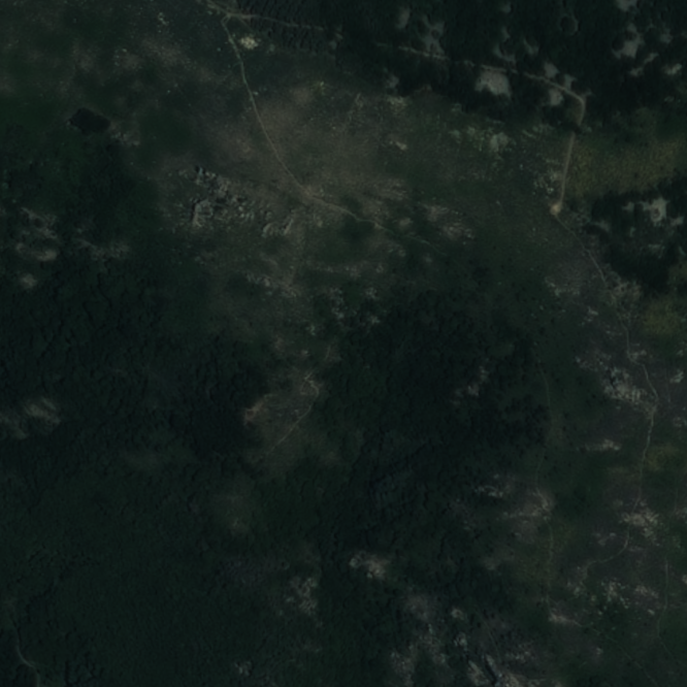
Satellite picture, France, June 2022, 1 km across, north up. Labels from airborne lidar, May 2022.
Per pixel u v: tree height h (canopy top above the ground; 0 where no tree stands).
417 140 0
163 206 0
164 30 0
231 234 0
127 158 0
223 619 15
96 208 9
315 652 9
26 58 0
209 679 18
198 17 0
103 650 19
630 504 0
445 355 13
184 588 20
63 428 12
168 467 7
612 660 0
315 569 10
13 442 12
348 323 9
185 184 0
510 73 12
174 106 0
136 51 0
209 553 12
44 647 17
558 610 0
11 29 0
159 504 17
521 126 0
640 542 0
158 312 11
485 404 12
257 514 10
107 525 22
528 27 13
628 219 11
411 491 12
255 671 12
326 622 13
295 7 16
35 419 6
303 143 0
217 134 0
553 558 0
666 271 7
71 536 8
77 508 18
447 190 0
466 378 8
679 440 0
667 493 0
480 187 0
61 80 0
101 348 10
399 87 7
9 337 23
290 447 0
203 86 0
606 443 0
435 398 11
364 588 10
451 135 0
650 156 0
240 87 0
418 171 0
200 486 6
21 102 0
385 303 10
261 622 14
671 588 0
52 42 0
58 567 19
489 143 0
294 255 0
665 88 10
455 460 13
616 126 7
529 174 0
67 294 22
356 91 0
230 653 16
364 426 11
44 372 14
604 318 0
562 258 0
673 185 7
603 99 12
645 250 8
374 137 0
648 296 8
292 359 8
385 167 0
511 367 12
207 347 7
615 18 9
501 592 7
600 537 0
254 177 0
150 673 19
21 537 17
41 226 13
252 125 0
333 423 9
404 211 0
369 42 14
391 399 20
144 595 20
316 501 15
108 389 12
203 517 12
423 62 9
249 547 9
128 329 19
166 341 7
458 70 12
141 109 0
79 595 23
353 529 15
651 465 0
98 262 11
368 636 18
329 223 0
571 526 0
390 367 14
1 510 15
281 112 0
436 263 0
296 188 0
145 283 11
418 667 8
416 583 6
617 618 7
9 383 22
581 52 12
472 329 8
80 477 15
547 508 0
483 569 8
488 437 7
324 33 7
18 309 19
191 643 17
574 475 0
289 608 13
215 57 0
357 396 15
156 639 19
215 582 13
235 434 12
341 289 8
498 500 9
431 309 11
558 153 0
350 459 17
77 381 10
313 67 0
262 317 0
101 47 0
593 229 8
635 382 0
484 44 11
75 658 8
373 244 0
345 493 13
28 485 10
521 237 0
